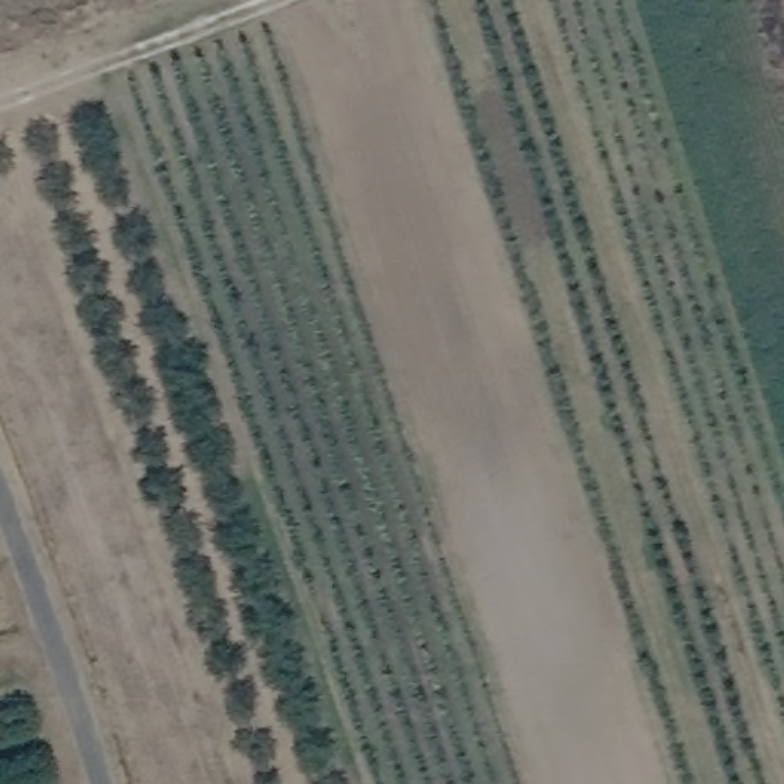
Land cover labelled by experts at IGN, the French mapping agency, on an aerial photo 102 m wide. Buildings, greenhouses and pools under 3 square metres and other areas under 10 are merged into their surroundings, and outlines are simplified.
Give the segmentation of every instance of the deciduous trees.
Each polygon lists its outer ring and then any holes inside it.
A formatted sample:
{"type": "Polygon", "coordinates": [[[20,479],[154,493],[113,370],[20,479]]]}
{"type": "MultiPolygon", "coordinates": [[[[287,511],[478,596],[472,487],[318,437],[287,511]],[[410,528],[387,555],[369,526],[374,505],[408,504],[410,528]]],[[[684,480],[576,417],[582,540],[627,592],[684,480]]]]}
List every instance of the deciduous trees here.
{"type": "Polygon", "coordinates": [[[61,784],[52,744],[31,756],[0,760],[0,784],[61,784]]]}
{"type": "Polygon", "coordinates": [[[104,205],[126,199],[129,184],[119,162],[116,126],[107,107],[101,101],[92,101],[86,101],[80,101],[70,110],[70,135],[80,147],[86,172],[95,178],[95,190],[104,205]]]}
{"type": "Polygon", "coordinates": [[[689,527],[680,518],[674,521],[674,536],[689,573],[689,585],[677,585],[658,527],[646,530],[646,564],[658,573],[662,591],[668,597],[668,609],[680,631],[689,674],[701,698],[707,726],[714,732],[714,744],[729,784],[741,784],[735,753],[729,747],[729,735],[707,680],[711,668],[720,668],[729,714],[747,753],[753,784],[766,784],[766,769],[750,738],[747,717],[741,711],[738,683],[729,668],[729,655],[720,637],[720,625],[711,606],[698,557],[692,551],[689,527]]]}
{"type": "Polygon", "coordinates": [[[214,545],[230,560],[245,634],[263,643],[260,668],[266,683],[279,695],[276,714],[294,732],[294,753],[300,772],[309,775],[315,769],[325,769],[325,763],[331,760],[331,732],[319,726],[319,686],[303,671],[303,646],[294,640],[297,609],[279,597],[279,585],[288,573],[282,567],[279,545],[266,518],[260,518],[239,496],[242,484],[233,475],[233,435],[221,423],[217,389],[205,371],[205,343],[190,337],[187,315],[165,294],[162,273],[153,260],[153,227],[147,214],[132,211],[116,217],[113,245],[132,266],[129,288],[141,300],[141,328],[147,331],[156,349],[156,371],[165,383],[172,420],[184,435],[187,456],[193,459],[202,478],[202,493],[214,508],[214,545]]]}
{"type": "Polygon", "coordinates": [[[640,438],[646,444],[652,441],[646,398],[640,392],[640,380],[634,374],[631,352],[616,319],[606,276],[597,263],[597,248],[579,202],[576,175],[564,153],[564,138],[545,98],[545,86],[533,61],[515,0],[472,0],[493,70],[502,86],[505,110],[511,116],[515,135],[527,159],[524,172],[536,187],[536,199],[542,205],[542,221],[564,273],[570,306],[576,312],[582,343],[594,368],[603,404],[603,426],[616,435],[616,444],[628,466],[631,487],[640,484],[640,472],[619,407],[631,401],[640,438]]]}
{"type": "Polygon", "coordinates": [[[254,726],[254,686],[251,680],[236,680],[227,686],[227,714],[236,723],[233,747],[251,760],[254,784],[282,784],[276,772],[273,735],[270,729],[254,726]]]}
{"type": "Polygon", "coordinates": [[[40,707],[37,701],[31,701],[0,711],[0,750],[40,738],[40,707]]]}
{"type": "Polygon", "coordinates": [[[58,159],[55,126],[46,119],[34,119],[25,132],[25,144],[40,165],[37,190],[55,211],[58,245],[67,254],[67,282],[77,294],[77,315],[92,334],[95,364],[110,383],[113,404],[135,429],[135,459],[141,459],[144,466],[141,496],[144,502],[159,508],[162,530],[175,548],[175,576],[187,597],[187,625],[208,646],[208,671],[214,677],[224,677],[227,671],[245,662],[245,655],[239,643],[230,640],[224,600],[217,597],[211,564],[199,545],[196,511],[184,505],[181,472],[168,466],[165,435],[153,426],[153,395],[147,383],[138,377],[135,346],[119,331],[123,303],[107,291],[107,263],[95,251],[95,239],[86,217],[77,211],[70,165],[58,159]]]}
{"type": "Polygon", "coordinates": [[[426,0],[435,25],[435,40],[450,77],[453,101],[462,116],[499,236],[505,242],[505,254],[511,260],[521,303],[527,309],[542,371],[548,380],[551,404],[573,450],[573,462],[588,496],[597,536],[603,542],[613,585],[619,591],[625,622],[631,631],[631,646],[649,683],[652,704],[662,717],[680,784],[695,784],[686,747],[680,741],[674,707],[668,701],[668,689],[658,674],[658,662],[649,652],[649,637],[625,576],[622,548],[606,518],[600,484],[585,453],[585,438],[567,389],[564,368],[554,355],[542,297],[527,273],[524,248],[530,242],[518,242],[518,230],[511,227],[502,178],[496,175],[487,135],[481,129],[484,123],[475,110],[475,95],[469,89],[459,52],[453,46],[450,25],[441,12],[441,0],[426,0]]]}

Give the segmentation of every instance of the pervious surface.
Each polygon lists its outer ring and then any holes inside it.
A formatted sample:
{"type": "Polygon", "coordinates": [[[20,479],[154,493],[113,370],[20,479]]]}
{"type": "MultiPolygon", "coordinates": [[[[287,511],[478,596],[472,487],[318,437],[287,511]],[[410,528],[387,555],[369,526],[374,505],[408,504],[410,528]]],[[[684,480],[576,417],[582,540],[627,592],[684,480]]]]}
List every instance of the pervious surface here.
{"type": "Polygon", "coordinates": [[[285,9],[297,0],[242,0],[211,15],[199,15],[187,25],[178,25],[165,34],[147,37],[141,43],[80,55],[58,70],[43,70],[31,80],[0,89],[0,113],[21,110],[64,89],[77,89],[86,101],[92,101],[101,74],[150,61],[181,46],[196,46],[202,37],[214,37],[221,31],[266,18],[270,12],[285,9]]]}

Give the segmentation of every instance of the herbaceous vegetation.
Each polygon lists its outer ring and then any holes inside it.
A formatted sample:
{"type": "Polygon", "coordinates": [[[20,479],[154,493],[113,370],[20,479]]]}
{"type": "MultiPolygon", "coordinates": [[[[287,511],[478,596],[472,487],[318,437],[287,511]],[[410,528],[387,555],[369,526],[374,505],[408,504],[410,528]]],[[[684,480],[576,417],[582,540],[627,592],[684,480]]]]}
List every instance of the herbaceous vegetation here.
{"type": "Polygon", "coordinates": [[[505,254],[505,242],[499,236],[462,116],[453,101],[450,77],[435,40],[435,25],[426,0],[404,0],[404,18],[410,21],[410,37],[423,61],[420,74],[429,83],[429,98],[441,107],[438,132],[444,138],[453,138],[447,144],[447,156],[462,165],[462,187],[469,199],[462,205],[462,217],[472,224],[472,236],[481,245],[484,260],[490,263],[493,288],[499,294],[499,312],[508,322],[508,328],[515,328],[518,340],[527,346],[530,380],[545,426],[557,441],[560,456],[567,459],[564,469],[570,472],[582,527],[591,539],[597,536],[588,496],[573,462],[573,450],[551,404],[548,380],[542,371],[527,309],[521,303],[511,260],[505,254]]]}
{"type": "Polygon", "coordinates": [[[199,15],[211,15],[242,0],[0,0],[0,89],[31,80],[43,70],[58,70],[80,55],[141,43],[147,37],[165,34],[178,25],[187,25],[199,15]]]}
{"type": "Polygon", "coordinates": [[[58,695],[55,671],[46,655],[46,643],[40,637],[40,625],[34,619],[25,582],[15,570],[15,557],[0,527],[0,711],[31,701],[37,701],[40,707],[40,738],[0,750],[0,760],[31,756],[52,744],[61,784],[89,784],[77,735],[58,695]]]}
{"type": "Polygon", "coordinates": [[[441,0],[441,12],[450,25],[453,46],[459,52],[469,89],[475,95],[475,110],[484,123],[481,129],[487,135],[496,175],[502,178],[511,227],[518,230],[518,242],[530,242],[524,248],[527,273],[542,297],[554,355],[564,368],[567,389],[585,438],[585,453],[600,484],[606,518],[622,548],[625,576],[649,637],[649,652],[658,662],[658,674],[668,689],[668,701],[674,707],[680,741],[686,747],[695,784],[729,784],[714,744],[714,732],[707,726],[701,698],[689,674],[680,631],[668,609],[668,597],[662,591],[658,573],[646,564],[646,530],[658,527],[677,585],[689,585],[689,573],[674,536],[674,521],[680,518],[689,527],[692,551],[698,557],[711,606],[720,625],[720,637],[729,655],[729,668],[738,683],[741,711],[747,717],[750,738],[766,769],[766,784],[784,784],[784,726],[766,671],[760,665],[760,652],[753,646],[744,609],[747,603],[756,603],[763,622],[772,616],[769,600],[760,588],[753,554],[741,533],[741,524],[720,530],[714,518],[701,469],[695,462],[689,426],[680,413],[674,386],[668,380],[662,343],[652,328],[649,306],[643,300],[628,254],[622,224],[613,211],[609,184],[588,129],[588,113],[579,101],[570,58],[564,52],[560,31],[548,0],[515,0],[533,61],[545,86],[545,98],[564,138],[564,153],[576,175],[579,202],[597,248],[597,263],[606,276],[616,319],[631,352],[634,374],[640,380],[640,392],[646,398],[652,441],[646,444],[640,438],[631,401],[619,407],[640,472],[640,484],[631,487],[628,466],[616,444],[616,435],[603,426],[603,404],[594,368],[582,343],[576,312],[570,306],[564,273],[542,221],[542,205],[536,199],[536,187],[524,172],[527,159],[515,135],[511,116],[505,110],[502,86],[493,70],[472,0],[441,0]]]}
{"type": "Polygon", "coordinates": [[[104,205],[95,190],[95,178],[86,172],[80,147],[70,135],[70,110],[80,101],[86,101],[77,89],[64,89],[21,110],[0,113],[0,472],[12,490],[21,530],[31,542],[52,613],[61,625],[67,652],[74,658],[77,680],[92,717],[95,738],[101,744],[110,784],[254,784],[251,760],[233,747],[236,723],[227,714],[227,686],[236,680],[251,680],[254,686],[254,726],[270,729],[273,735],[276,772],[282,784],[374,784],[364,750],[358,744],[355,723],[349,717],[346,695],[331,662],[319,609],[309,597],[303,573],[297,570],[288,524],[276,508],[273,487],[263,475],[248,423],[236,401],[236,386],[217,331],[193,279],[184,236],[178,230],[175,211],[156,175],[159,162],[168,162],[178,190],[187,184],[187,168],[162,119],[162,107],[150,77],[150,61],[101,74],[92,101],[101,101],[107,107],[116,126],[119,162],[129,184],[126,199],[104,205]],[[40,165],[25,144],[25,132],[34,119],[46,119],[55,126],[58,159],[70,165],[77,211],[86,217],[95,239],[95,251],[107,263],[107,291],[123,303],[119,331],[135,346],[138,377],[147,383],[153,395],[153,426],[165,435],[168,466],[181,472],[184,505],[196,511],[199,545],[211,564],[217,597],[224,600],[230,640],[239,643],[245,655],[245,662],[227,671],[224,677],[214,677],[208,671],[208,646],[187,625],[187,597],[175,576],[175,548],[162,530],[159,508],[144,502],[141,496],[144,466],[141,459],[135,459],[135,429],[113,404],[110,383],[95,364],[92,334],[77,315],[77,294],[67,282],[67,254],[58,245],[55,211],[37,190],[40,165]],[[187,315],[190,337],[205,343],[205,371],[217,389],[221,423],[233,435],[233,475],[242,484],[239,496],[260,518],[266,518],[279,545],[282,567],[288,573],[279,585],[279,597],[297,609],[294,640],[303,646],[303,671],[319,686],[319,726],[331,732],[331,760],[325,763],[325,769],[315,769],[309,775],[300,772],[294,753],[294,732],[276,714],[279,695],[266,683],[260,668],[263,643],[245,634],[230,560],[214,545],[214,508],[202,493],[202,478],[193,459],[187,456],[184,435],[172,420],[165,383],[156,371],[156,349],[147,331],[141,328],[141,300],[129,288],[132,266],[113,245],[116,217],[132,211],[147,214],[153,227],[153,260],[162,273],[165,294],[187,315]]]}

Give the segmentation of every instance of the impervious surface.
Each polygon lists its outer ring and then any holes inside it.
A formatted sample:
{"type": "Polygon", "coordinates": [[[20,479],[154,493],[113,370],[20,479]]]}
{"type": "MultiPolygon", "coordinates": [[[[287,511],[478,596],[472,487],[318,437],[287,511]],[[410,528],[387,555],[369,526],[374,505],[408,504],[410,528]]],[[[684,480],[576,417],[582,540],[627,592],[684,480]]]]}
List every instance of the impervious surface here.
{"type": "Polygon", "coordinates": [[[31,542],[21,530],[12,490],[0,472],[0,527],[15,557],[15,570],[25,582],[34,619],[40,625],[40,637],[46,643],[46,655],[55,671],[58,695],[77,735],[89,784],[110,784],[101,744],[95,738],[92,717],[77,680],[74,658],[67,652],[61,625],[52,613],[31,542]]]}

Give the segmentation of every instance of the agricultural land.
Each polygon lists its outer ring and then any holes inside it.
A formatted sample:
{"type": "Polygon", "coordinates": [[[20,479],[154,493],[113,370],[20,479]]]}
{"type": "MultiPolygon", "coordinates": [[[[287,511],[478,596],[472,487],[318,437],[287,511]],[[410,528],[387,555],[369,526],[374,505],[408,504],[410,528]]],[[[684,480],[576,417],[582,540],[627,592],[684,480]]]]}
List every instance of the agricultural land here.
{"type": "Polygon", "coordinates": [[[701,469],[714,518],[720,530],[741,524],[741,533],[753,554],[760,588],[769,600],[772,616],[763,622],[756,603],[747,603],[744,609],[753,646],[760,652],[760,665],[766,671],[784,726],[784,0],[548,0],[560,31],[564,52],[570,58],[579,101],[588,113],[588,129],[609,184],[613,211],[622,224],[628,254],[643,300],[649,306],[652,328],[662,343],[668,380],[674,386],[680,413],[689,426],[695,462],[701,469]]]}
{"type": "Polygon", "coordinates": [[[613,585],[603,542],[597,536],[591,539],[582,527],[570,472],[564,469],[567,459],[560,456],[557,441],[545,426],[530,380],[527,346],[518,340],[515,328],[508,328],[508,322],[499,312],[499,294],[493,288],[490,263],[484,260],[481,245],[472,236],[472,224],[462,217],[462,205],[469,199],[462,187],[462,165],[447,156],[447,144],[453,138],[444,138],[438,132],[441,107],[429,98],[429,83],[420,74],[423,61],[410,37],[410,21],[404,18],[404,0],[297,0],[285,9],[270,12],[266,18],[221,31],[214,37],[202,37],[196,46],[181,46],[150,61],[150,77],[162,107],[162,119],[187,168],[187,184],[178,190],[168,162],[159,162],[156,175],[175,211],[178,230],[184,236],[193,279],[217,331],[236,386],[236,401],[248,423],[263,475],[273,487],[276,508],[288,524],[297,570],[303,573],[309,597],[319,609],[331,662],[346,695],[349,717],[355,723],[358,744],[364,750],[374,784],[680,784],[662,717],[652,704],[649,683],[631,646],[631,631],[625,622],[619,591],[613,585]]]}
{"type": "Polygon", "coordinates": [[[729,714],[720,668],[711,668],[707,680],[729,735],[729,747],[735,753],[741,784],[753,784],[747,753],[729,714]]]}

